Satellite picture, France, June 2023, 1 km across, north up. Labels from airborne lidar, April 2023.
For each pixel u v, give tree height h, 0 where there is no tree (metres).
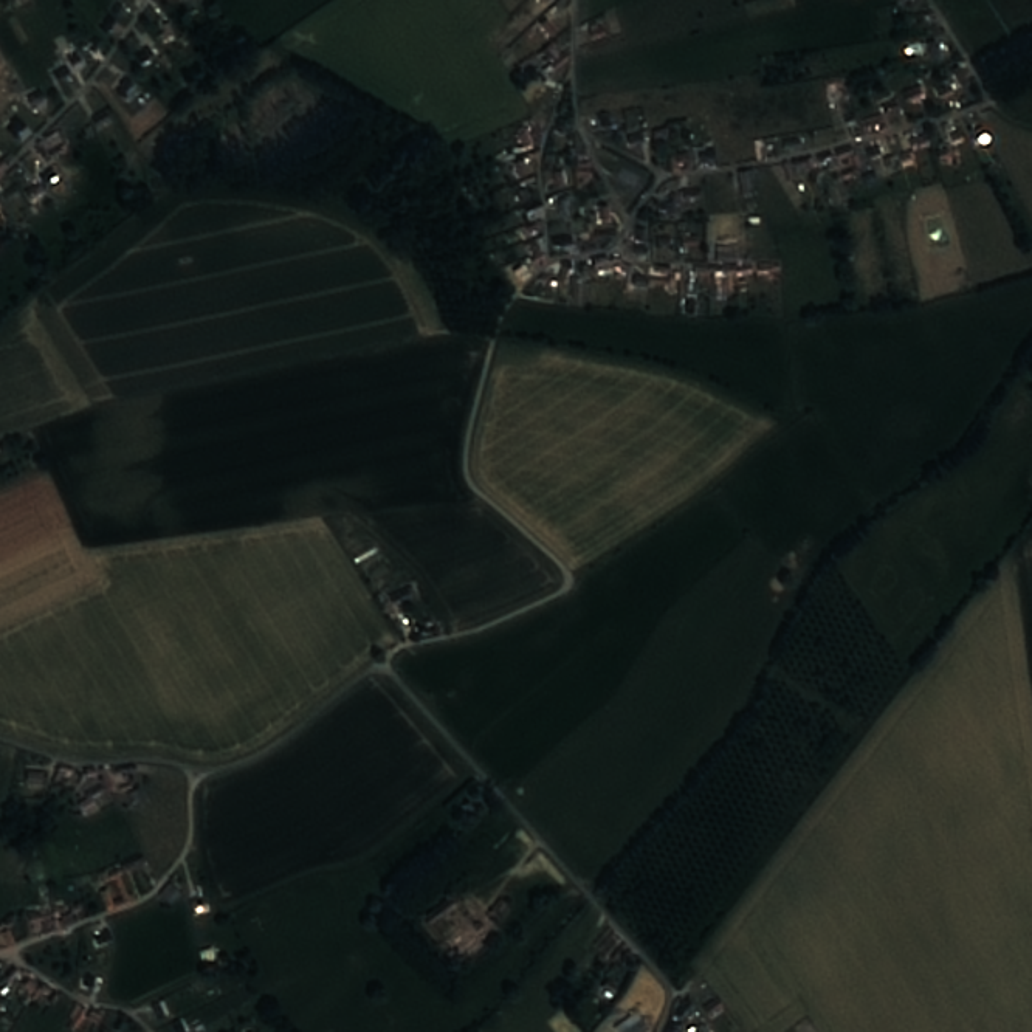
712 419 0
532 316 0
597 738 0
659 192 0
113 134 0
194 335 0
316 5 0
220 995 0
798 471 0
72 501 0
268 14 0
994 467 0
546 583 0
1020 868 0
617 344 0
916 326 0
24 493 0
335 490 0
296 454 0
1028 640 0
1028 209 0
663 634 0
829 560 17
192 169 32
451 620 0
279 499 0
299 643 0
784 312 0
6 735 0
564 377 0
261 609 0
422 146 27
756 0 0
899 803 0
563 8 0
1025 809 0
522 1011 0
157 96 0
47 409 0
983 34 0
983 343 0
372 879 0
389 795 0
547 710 0
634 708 0
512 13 0
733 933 0
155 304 0
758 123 0
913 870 0
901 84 0
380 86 0
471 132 0
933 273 0
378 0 0
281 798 0
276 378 0
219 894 0
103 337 0
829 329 0
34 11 0
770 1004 0
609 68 0
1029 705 0
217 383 0
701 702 0
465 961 14
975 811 0
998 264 0
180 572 0
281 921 0
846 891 0
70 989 0
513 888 0
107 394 0
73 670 0
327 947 0
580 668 0
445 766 0
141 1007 0
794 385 0
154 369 0
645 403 0
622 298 0
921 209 0
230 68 30
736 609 0
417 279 0
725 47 0
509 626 0
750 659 0
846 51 0
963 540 0
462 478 0
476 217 19
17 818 15
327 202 0
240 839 0
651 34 0
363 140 32
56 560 0
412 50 0
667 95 0
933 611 0
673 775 0
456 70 0
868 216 0
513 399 0
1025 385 0
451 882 13
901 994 0
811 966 0
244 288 0
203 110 0
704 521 0
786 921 0
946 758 0
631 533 0
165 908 8
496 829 0
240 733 0
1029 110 0
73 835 0
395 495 0
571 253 0
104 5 0
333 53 0
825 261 0
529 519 0
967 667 0
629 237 0
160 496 0
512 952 0
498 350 0
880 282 0
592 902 0
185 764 0
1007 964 0
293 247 0
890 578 0
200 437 0
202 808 0
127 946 0
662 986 0
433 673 0
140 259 0
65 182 0
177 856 0
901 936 0
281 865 0
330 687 0
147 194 14
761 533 0
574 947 0
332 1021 0
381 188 20
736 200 0
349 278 0
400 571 0
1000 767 0
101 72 0
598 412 0
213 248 0
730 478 0
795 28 0
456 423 0
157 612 0
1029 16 0
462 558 0
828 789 0
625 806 0
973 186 0
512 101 0
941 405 0
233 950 0
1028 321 0
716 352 0
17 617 0
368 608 0
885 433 0
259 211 0
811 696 0
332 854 0
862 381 0
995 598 0
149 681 0
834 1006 0
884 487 0
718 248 0
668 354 0
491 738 0
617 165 0
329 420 0
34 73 0
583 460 0
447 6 0
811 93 0
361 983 0
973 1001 0
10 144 0
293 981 0
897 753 0
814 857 0
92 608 0
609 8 0
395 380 0
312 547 0
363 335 0
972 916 0
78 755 0
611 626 0
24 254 0
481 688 0
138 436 0
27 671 0
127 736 0
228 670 0
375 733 0
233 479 0
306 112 0
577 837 0
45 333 0
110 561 0
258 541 0
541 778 0
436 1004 0
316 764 0
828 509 0
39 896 0
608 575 0
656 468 0
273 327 0
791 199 0
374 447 0
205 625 0
